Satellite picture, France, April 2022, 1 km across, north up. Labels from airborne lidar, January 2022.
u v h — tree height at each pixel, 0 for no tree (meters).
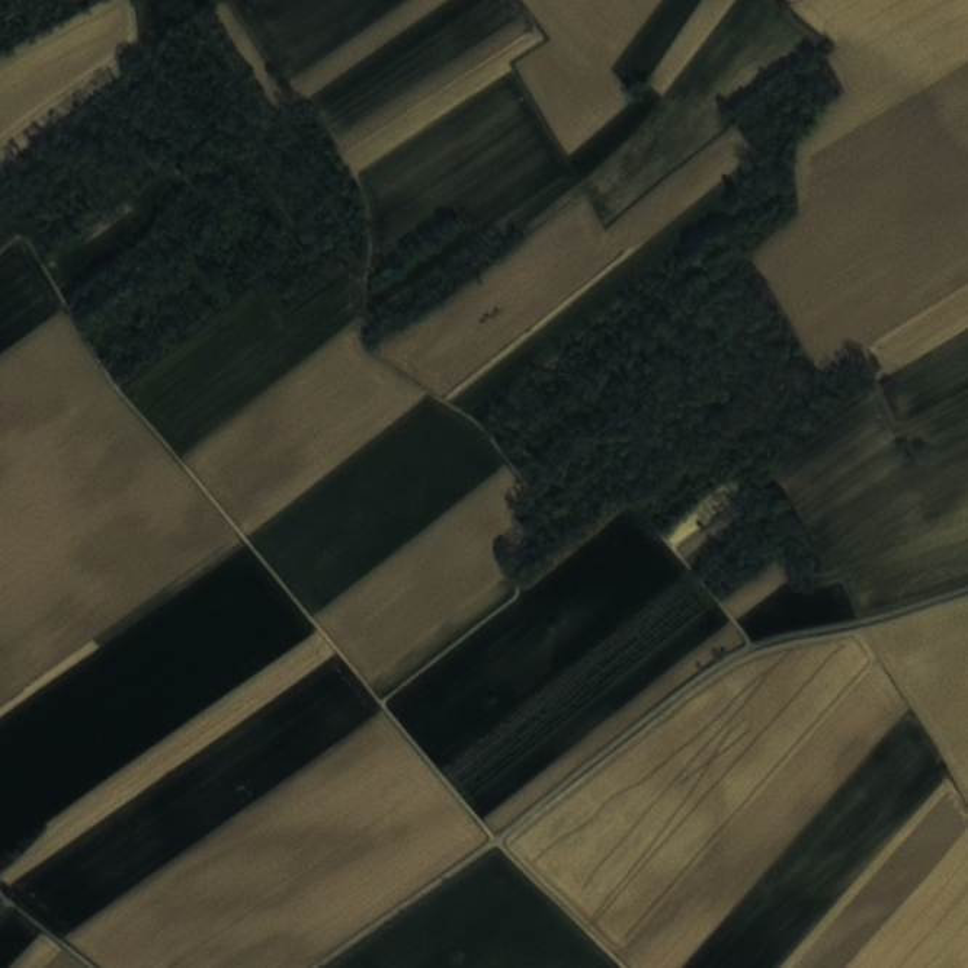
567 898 0
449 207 0
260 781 0
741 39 0
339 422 0
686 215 0
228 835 0
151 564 0
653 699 0
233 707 0
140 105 26
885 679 0
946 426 0
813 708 0
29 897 0
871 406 0
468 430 0
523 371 0
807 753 0
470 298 0
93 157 27
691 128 0
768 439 31
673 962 0
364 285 0
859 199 0
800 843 0
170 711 0
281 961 0
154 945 0
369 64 0
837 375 26
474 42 0
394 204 0
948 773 9
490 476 0
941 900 0
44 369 0
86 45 0
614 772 0
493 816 0
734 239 32
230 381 0
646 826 0
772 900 0
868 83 0
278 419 0
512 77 0
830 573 0
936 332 0
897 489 0
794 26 0
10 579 0
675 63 0
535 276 0
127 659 0
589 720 0
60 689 0
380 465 0
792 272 0
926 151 0
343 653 0
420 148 0
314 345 0
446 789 0
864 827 0
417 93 0
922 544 0
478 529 0
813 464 0
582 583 0
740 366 34
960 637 0
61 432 0
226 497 0
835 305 0
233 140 30
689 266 23
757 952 0
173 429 0
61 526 0
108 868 0
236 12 0
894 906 0
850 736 0
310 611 0
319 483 0
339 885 0
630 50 0
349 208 26
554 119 0
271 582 0
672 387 31
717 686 0
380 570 0
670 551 0
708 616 0
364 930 0
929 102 0
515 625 0
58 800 0
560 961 0
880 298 0
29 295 0
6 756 0
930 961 0
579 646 0
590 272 0
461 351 0
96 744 0
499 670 0
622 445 28
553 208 0
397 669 0
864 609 0
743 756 0
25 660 0
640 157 0
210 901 0
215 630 0
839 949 0
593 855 0
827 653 0
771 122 25
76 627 0
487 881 0
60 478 0
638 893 0
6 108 0
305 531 0
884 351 0
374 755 0
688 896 0
